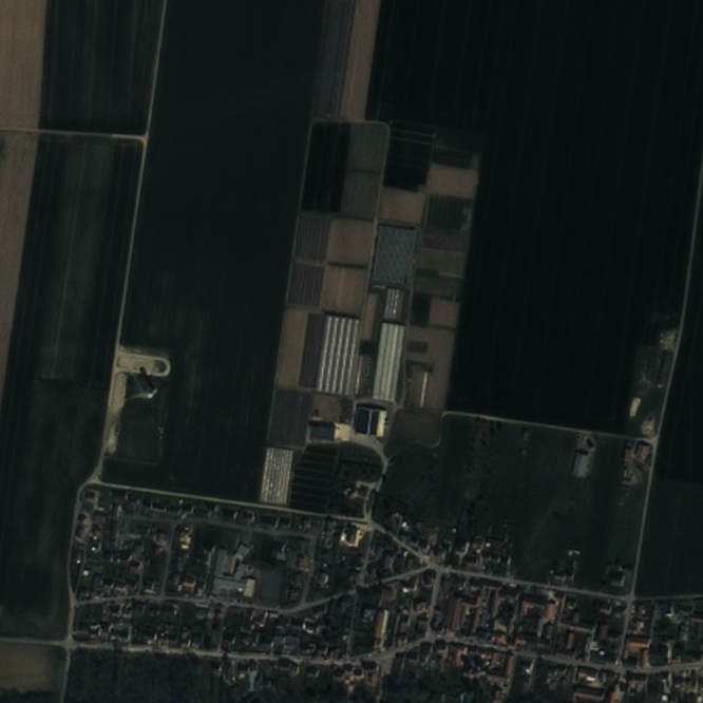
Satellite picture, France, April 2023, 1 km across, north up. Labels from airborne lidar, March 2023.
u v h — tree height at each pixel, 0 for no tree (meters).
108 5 0
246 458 0
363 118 0
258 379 0
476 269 0
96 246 0
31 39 0
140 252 0
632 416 0
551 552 0
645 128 0
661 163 0
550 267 0
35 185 0
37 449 0
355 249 0
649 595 0
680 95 0
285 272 0
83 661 14
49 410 0
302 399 0
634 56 0
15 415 0
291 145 0
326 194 0
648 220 0
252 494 0
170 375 0
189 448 0
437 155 0
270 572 0
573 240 0
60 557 0
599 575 0
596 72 0
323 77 0
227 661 8
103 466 0
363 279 0
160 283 0
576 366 0
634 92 0
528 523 0
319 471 0
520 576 0
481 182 0
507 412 0
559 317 0
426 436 0
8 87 0
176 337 0
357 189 0
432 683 0
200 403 0
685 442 0
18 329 0
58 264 0
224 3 0
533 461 0
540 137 0
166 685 23
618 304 0
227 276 0
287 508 0
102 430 0
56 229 0
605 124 0
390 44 0
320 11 0
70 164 0
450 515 0
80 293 0
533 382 0
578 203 0
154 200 0
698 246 0
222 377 0
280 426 0
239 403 0
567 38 0
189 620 0
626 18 0
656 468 0
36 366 0
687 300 0
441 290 0
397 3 0
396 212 0
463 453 0
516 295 0
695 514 0
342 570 12
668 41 0
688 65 0
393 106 0
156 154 0
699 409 0
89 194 0
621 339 0
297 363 0
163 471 0
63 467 0
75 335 0
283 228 0
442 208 0
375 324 0
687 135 0
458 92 0
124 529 0
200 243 0
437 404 0
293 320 0
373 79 0
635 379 0
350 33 0
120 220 0
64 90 0
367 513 0
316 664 0
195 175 0
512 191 0
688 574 0
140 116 0
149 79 0
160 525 0
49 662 0
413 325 0
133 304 0
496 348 0
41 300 0
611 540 0
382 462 0
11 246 0
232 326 0
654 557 0
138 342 0
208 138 0
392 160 0
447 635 0
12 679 0
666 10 0
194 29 0
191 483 0
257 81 0
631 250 0
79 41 0
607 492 0
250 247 0
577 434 0
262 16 0
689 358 0
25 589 0
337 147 0
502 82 0
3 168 0
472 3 0
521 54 0
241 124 0
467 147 0
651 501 0
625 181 0
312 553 0
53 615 0
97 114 0
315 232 0
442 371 0
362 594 14
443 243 0
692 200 0
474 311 0
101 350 0
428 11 0
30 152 0
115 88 0
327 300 0
